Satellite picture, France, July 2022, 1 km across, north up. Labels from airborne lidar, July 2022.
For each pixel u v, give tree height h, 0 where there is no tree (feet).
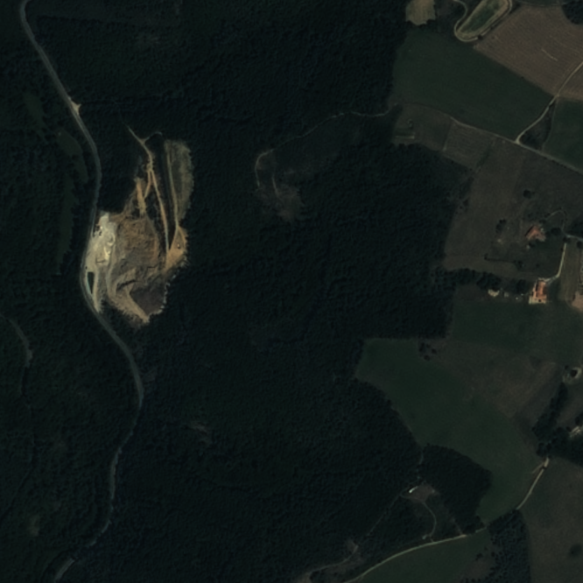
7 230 53
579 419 38
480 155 0
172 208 0
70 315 66
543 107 0
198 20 55
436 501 0
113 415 46
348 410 34
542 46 0
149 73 50
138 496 49
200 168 41
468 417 0
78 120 0
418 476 35
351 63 43
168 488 52
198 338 84
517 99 0
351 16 32
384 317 48
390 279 35
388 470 42
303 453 22
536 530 0
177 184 0
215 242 60
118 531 32
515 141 0
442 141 0
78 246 73
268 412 46
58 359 45
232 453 74
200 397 62
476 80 0
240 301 74
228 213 43
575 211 0
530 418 0
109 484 53
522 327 0
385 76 26
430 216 28
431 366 0
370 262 27
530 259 0
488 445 0
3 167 97
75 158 32
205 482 61
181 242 0
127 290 0
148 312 0
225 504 57
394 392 0
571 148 0
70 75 38
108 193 55
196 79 76
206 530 55
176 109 71
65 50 56
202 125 72
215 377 58
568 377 0
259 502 55
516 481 0
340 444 37
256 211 44
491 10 0
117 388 39
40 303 24
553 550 0
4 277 35
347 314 60
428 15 0
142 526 36
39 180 22
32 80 29
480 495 33
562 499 0
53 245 39
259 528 58
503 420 0
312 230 64
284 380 55
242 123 73
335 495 44
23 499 63
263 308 63
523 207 0
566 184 0
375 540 31
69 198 0
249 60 63
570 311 0
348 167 47
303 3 36
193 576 56
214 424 38
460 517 23
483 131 0
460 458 25
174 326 55
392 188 50
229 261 45
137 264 0
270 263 43
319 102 42
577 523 0
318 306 44
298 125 63
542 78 0
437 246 28
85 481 50
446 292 26
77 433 92
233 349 74
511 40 0
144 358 39
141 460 52
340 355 26
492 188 0
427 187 22
